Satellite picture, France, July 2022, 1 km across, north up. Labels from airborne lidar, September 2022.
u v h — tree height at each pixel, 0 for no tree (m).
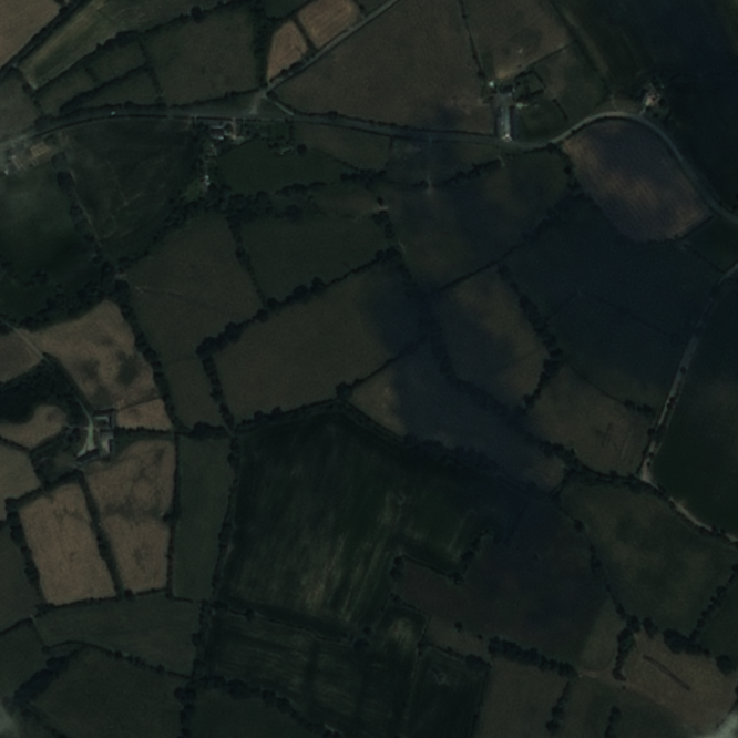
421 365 0
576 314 0
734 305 0
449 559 0
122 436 14
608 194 0
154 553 0
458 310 0
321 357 0
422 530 0
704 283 0
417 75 0
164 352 0
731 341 0
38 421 0
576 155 0
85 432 0
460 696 0
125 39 14
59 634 0
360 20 0
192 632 0
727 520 0
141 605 0
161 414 0
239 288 0
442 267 0
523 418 21
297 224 11
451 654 11
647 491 12
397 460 0
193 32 0
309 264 0
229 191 12
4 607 0
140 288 0
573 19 0
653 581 0
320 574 0
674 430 0
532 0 0
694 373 0
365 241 0
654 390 0
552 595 0
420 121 0
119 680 0
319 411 6
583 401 0
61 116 6
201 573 0
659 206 0
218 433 13
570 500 0
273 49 0
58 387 10
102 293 6
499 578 0
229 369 0
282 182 0
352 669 0
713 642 0
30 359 0
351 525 0
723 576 0
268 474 0
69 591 0
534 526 0
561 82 0
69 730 0
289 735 0
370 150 0
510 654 19
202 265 0
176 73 0
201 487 0
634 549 0
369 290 0
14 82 0
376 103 0
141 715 0
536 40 0
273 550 0
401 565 14
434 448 18
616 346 0
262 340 0
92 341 0
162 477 0
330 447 0
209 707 0
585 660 0
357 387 8
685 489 0
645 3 0
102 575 0
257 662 0
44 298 0
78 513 0
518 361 0
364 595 0
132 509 0
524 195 0
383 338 0
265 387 0
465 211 0
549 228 17
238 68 0
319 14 0
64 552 0
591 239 0
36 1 0
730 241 0
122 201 0
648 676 0
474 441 0
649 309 0
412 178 0
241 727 0
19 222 0
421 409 0
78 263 0
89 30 0
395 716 0
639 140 0
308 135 0
